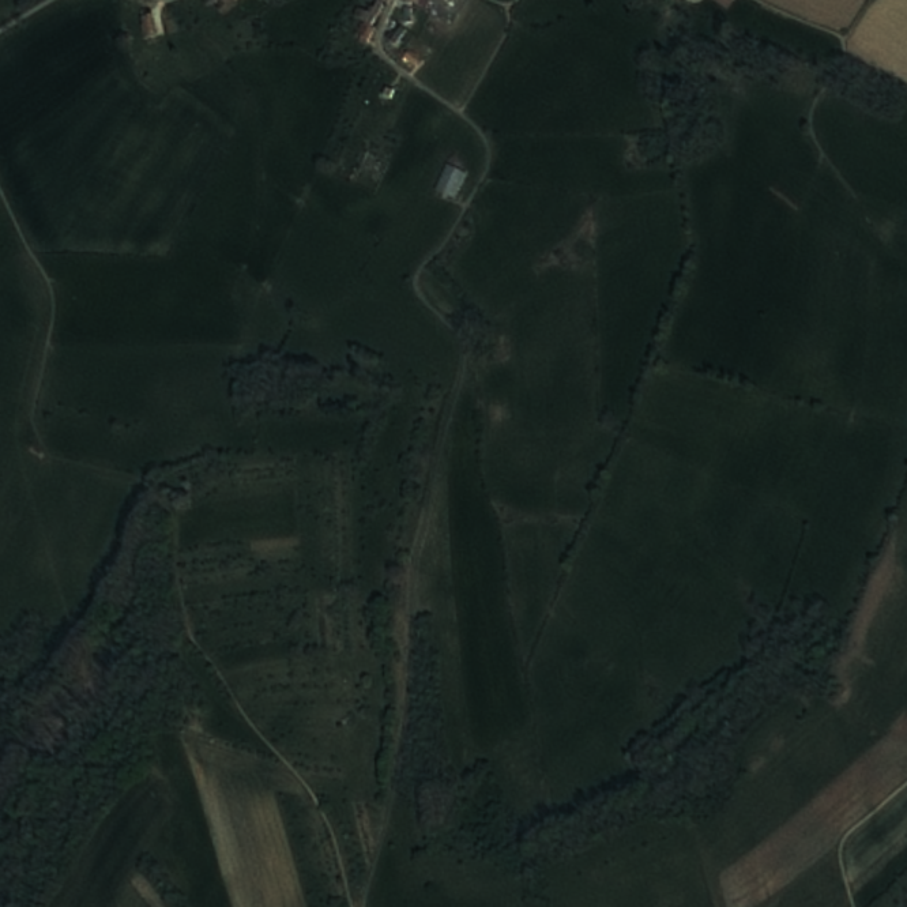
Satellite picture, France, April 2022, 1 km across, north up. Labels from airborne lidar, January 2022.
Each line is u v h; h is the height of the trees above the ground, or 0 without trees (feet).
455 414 0
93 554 0
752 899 0
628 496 0
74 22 0
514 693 0
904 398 0
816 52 0
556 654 0
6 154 0
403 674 0
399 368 0
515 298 0
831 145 0
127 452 0
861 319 0
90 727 80
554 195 0
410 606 0
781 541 0
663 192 0
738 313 0
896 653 0
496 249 0
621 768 0
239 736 0
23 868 56
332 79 0
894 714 0
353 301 0
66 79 0
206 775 0
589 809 64
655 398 0
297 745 0
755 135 0
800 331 0
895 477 0
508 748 0
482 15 0
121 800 52
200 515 0
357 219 0
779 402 0
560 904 0
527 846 69
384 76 0
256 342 0
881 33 0
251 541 0
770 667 77
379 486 0
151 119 0
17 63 0
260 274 0
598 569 0
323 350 0
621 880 0
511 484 0
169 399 0
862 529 0
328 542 0
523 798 0
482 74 0
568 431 0
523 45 0
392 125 0
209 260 0
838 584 0
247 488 0
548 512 0
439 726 77
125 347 0
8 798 104
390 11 0
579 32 0
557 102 0
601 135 0
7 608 0
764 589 0
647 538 0
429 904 0
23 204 0
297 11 0
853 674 0
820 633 59
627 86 0
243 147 0
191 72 0
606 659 0
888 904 0
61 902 0
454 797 75
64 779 72
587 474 0
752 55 78
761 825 0
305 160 0
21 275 0
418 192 0
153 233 0
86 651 98
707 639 0
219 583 0
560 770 0
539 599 0
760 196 0
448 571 0
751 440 0
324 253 0
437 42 0
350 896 0
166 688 56
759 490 0
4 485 0
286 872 0
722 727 32
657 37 0
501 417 0
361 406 43
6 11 0
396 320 0
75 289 0
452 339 0
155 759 36
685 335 0
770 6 0
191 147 0
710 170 0
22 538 0
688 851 0
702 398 0
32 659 73
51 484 0
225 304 0
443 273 26
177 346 0
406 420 0
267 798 0
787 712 0
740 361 0
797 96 0
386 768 54
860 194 0
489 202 0
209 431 0
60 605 0
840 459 0
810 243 0
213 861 0
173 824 0
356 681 0
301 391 38
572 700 0
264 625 0
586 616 0
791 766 0
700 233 0
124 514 0
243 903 0
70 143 0
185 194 0
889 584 0
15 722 78
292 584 0
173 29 0
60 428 0
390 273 0
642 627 0
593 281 0
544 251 0
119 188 0
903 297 0
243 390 51
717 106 33
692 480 0
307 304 0
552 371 0
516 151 0
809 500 0
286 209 0
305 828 0
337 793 0
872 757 0
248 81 0
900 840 0
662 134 23
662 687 0
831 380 0
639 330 0
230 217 0
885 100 83
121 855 0
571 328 0
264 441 0
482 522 0
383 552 0
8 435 0
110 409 0
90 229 0
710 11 0
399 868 0
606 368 0
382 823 0
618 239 0
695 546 0
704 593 0
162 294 0
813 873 0
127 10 0
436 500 0
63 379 0
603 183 0
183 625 35
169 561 39
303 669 0
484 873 0
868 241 0
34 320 0
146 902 0
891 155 0
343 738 0
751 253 0
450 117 0
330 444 0
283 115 0
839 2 0
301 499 0
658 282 0
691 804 27
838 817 0
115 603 87
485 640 0
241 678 0
